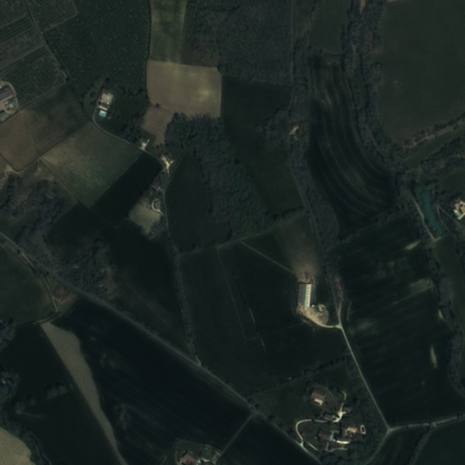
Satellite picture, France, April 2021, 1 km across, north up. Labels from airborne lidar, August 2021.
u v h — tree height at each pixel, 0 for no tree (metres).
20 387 0
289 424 0
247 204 22
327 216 17
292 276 0
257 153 0
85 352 0
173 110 0
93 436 0
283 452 0
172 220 0
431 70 0
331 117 0
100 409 0
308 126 10
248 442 0
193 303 0
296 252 0
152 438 0
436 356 0
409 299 0
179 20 0
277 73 14
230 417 0
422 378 0
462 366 0
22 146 0
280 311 0
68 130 0
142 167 0
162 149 10
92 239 0
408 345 0
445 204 11
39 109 0
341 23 0
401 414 0
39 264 10
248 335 0
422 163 9
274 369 0
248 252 0
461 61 0
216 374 11
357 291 0
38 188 7
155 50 0
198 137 22
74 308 0
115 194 0
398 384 0
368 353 0
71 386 0
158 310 0
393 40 0
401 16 0
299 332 0
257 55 19
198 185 0
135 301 0
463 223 9
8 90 0
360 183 0
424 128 0
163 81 0
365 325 0
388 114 0
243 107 0
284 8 16
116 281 0
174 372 0
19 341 0
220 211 12
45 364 0
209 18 13
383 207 0
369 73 12
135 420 0
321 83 0
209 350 0
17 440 0
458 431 0
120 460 0
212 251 0
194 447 0
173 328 0
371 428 9
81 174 0
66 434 0
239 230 15
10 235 0
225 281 0
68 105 0
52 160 0
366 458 12
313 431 0
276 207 0
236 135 0
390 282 0
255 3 21
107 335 0
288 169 0
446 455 0
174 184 0
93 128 0
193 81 0
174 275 17
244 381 0
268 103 0
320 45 0
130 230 0
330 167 0
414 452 14
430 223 19
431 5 0
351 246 0
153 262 0
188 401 0
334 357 0
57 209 8
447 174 0
